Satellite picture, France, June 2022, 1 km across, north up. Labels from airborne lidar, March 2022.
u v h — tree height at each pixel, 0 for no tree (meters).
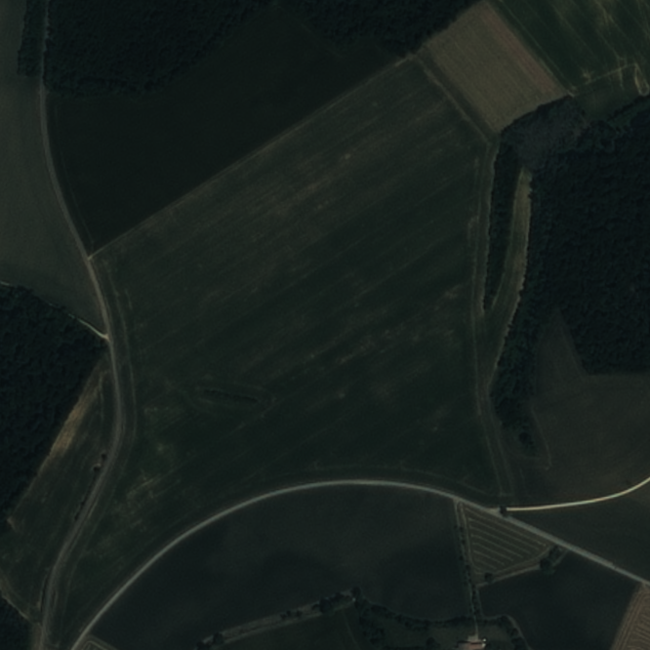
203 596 0
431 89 0
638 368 17
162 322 0
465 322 0
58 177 0
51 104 0
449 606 0
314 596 0
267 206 0
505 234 14
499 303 0
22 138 0
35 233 0
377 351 0
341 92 0
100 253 0
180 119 0
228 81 0
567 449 0
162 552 0
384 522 0
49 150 0
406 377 0
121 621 0
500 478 0
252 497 0
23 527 0
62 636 0
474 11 0
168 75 7
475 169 0
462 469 0
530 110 0
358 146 0
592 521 0
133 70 10
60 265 0
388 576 0
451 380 0
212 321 0
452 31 0
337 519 0
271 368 0
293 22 0
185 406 0
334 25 16
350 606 0
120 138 0
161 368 0
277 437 0
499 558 0
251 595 0
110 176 0
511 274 0
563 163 21
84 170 0
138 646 0
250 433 0
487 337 0
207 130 0
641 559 0
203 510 0
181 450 0
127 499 0
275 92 0
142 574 0
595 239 17
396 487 0
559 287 19
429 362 0
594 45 0
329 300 0
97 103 0
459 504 0
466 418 0
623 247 21
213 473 0
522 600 0
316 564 0
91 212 0
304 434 0
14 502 10
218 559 0
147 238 0
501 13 0
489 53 0
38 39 10
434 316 0
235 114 0
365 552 0
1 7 0
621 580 0
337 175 0
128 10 7
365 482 0
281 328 0
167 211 0
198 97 0
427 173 0
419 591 0
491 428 0
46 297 0
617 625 0
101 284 0
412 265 0
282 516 0
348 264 0
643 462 0
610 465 0
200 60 14
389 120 0
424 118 0
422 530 0
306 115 0
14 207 0
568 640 0
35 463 18
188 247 0
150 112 0
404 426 0
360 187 0
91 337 11
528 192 0
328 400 0
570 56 0
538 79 0
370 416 0
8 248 0
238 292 0
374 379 0
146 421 0
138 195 0
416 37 19
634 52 0
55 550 0
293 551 0
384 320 0
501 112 0
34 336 22
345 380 0
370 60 0
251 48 0
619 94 0
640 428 0
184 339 0
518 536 0
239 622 0
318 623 0
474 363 0
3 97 0
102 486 0
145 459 0
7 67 0
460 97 0
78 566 0
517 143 17
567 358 0
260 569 0
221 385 0
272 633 0
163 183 0
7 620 18
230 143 0
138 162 0
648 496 0
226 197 0
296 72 0
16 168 0
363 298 0
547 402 0
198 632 0
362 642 0
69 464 0
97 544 0
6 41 0
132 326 0
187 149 0
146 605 0
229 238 0
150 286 0
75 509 0
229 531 0
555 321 0
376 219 0
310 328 0
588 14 0
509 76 0
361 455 0
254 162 0
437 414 0
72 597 0
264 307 0
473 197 0
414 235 0
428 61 0
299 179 0
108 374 0
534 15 0
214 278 0
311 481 0
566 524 0
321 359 0
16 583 0
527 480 0
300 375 0
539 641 0
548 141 22
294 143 0
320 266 0
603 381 0
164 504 0
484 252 0
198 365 0
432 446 0
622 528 0
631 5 0
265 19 0
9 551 0
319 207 0
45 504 0
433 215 0
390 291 0
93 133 0
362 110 0
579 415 0
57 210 0
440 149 0
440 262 0
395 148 0
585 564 0
